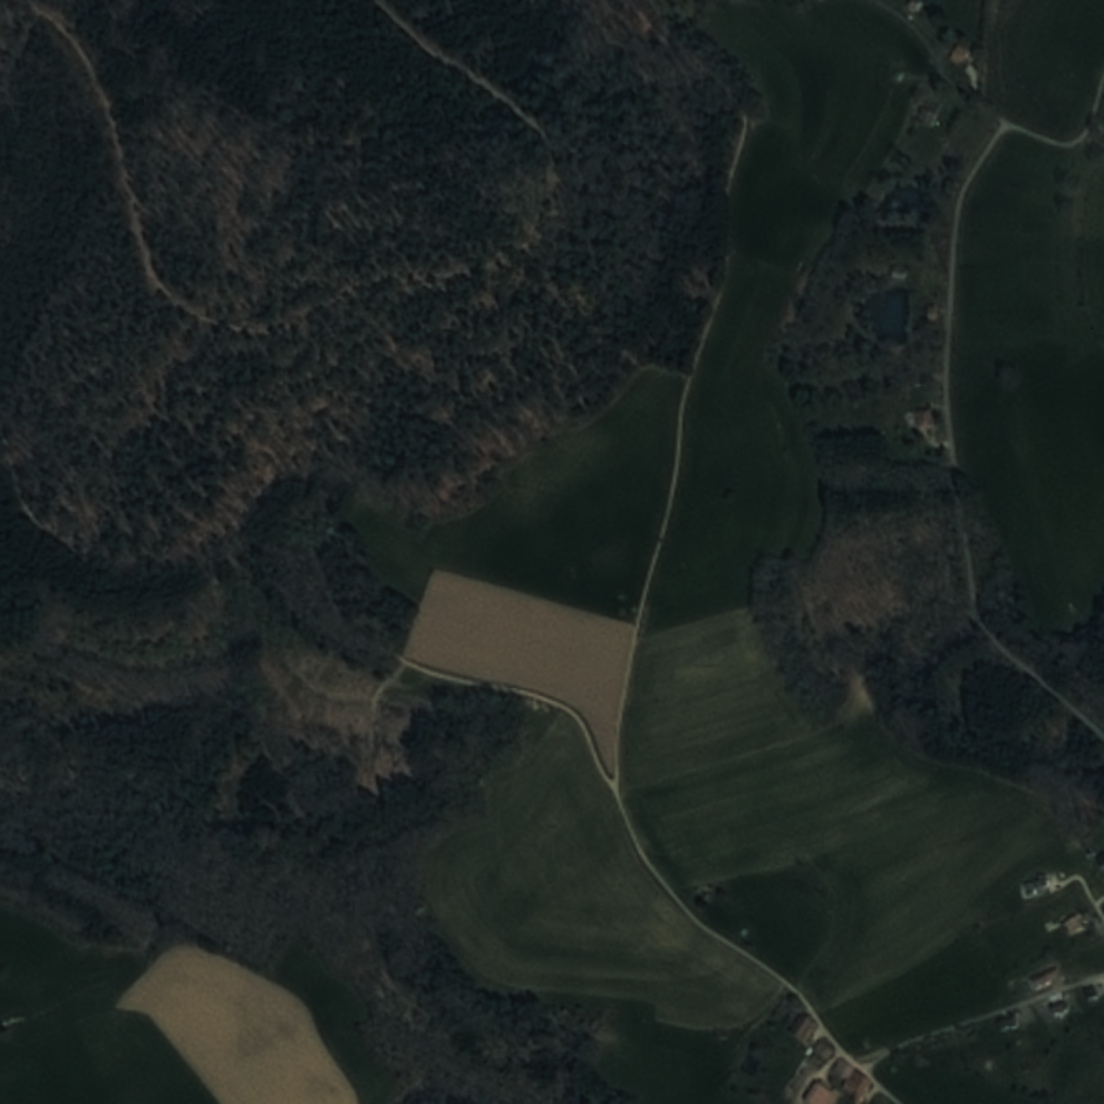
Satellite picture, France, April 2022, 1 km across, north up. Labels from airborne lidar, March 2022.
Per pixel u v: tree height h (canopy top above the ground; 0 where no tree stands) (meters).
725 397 0
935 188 20
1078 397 0
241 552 31
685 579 0
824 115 0
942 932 0
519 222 16
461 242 16
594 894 0
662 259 30
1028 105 0
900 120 0
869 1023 0
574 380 23
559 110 13
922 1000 0
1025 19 0
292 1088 0
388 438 29
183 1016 0
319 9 17
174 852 16
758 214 0
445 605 0
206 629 25
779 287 0
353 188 25
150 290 25
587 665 0
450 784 19
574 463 0
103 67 10
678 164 31
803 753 0
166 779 27
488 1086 16
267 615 17
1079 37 0
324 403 22
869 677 12
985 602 11
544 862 0
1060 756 15
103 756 26
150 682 25
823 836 0
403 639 27
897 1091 0
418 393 23
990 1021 0
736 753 0
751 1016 0
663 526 0
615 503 0
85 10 17
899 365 18
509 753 20
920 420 0
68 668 25
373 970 0
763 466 0
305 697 0
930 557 9
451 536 0
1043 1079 0
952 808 0
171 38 22
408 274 14
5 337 14
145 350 24
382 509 18
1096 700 22
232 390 19
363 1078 0
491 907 0
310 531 15
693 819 0
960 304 0
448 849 0
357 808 31
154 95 10
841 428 0
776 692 0
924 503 16
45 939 0
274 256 19
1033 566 0
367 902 28
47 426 19
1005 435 0
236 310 12
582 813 0
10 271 14
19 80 11
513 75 10
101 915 24
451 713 26
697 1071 0
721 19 0
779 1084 0
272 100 21
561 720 0
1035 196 0
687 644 0
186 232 25
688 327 20
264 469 24
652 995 0
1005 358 0
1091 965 0
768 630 21
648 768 0
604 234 29
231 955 12
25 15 23
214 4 17
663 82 29
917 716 30
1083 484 0
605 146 27
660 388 0
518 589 0
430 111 8
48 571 24
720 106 28
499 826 0
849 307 22
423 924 22
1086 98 0
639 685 0
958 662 30
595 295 32
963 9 0
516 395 19
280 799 11
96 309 20
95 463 22
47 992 0
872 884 0
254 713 24
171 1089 0
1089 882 0
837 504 26
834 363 20
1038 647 23
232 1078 0
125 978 0
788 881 0
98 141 13
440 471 27
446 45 18
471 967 0
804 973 0
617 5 28
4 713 13
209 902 11
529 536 0
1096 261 0
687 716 0
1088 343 0
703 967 0
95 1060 0
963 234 0
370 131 6
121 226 23
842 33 0
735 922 0
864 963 0
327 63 12
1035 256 0
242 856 28
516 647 0
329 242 19
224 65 18
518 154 20
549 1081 12
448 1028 15
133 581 22
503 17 12
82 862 12
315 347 14
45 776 8
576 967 0
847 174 0
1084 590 0
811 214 0
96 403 24
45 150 13
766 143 0
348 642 23
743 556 0
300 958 0
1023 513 0
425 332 9
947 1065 0
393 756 0
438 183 15
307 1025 0
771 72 0
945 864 0
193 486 25
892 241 17
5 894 26
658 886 0
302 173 21
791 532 0
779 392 0
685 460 0
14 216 12
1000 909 0
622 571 0
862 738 0
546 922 0
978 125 0
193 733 26
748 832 0
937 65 0
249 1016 0
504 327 23
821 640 17
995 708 15
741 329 0
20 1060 0
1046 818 0
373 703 0
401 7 25
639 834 0
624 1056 0
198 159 23
